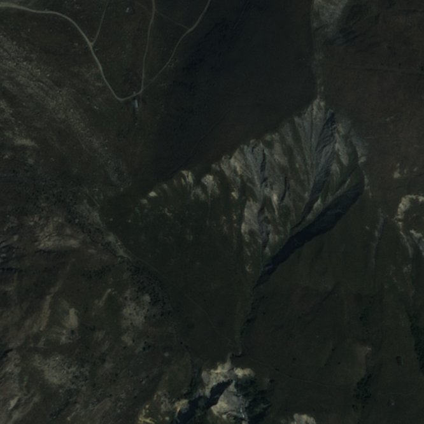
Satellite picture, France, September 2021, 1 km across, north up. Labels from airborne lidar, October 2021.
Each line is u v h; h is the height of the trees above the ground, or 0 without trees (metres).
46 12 0
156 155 0
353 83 0
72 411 0
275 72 0
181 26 0
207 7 0
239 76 0
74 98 0
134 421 0
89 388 0
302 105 0
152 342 0
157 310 0
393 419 0
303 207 0
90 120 0
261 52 0
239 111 0
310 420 0
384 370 0
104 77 0
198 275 0
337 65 0
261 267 0
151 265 0
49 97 0
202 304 0
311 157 0
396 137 0
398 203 0
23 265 0
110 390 0
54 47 0
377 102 0
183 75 0
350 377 0
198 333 0
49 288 0
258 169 0
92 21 0
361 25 0
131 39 0
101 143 0
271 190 0
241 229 0
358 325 0
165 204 0
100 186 0
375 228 0
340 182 0
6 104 0
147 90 0
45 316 0
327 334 0
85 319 0
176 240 0
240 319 0
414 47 0
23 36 0
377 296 0
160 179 0
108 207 0
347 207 0
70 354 0
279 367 0
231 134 0
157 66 0
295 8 0
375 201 0
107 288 0
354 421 0
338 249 0
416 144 0
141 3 0
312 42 0
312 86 0
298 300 0
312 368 0
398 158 0
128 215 0
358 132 0
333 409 0
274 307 0
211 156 0
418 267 0
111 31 0
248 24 0
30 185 0
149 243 0
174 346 0
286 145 0
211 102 0
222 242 0
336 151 0
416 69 0
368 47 0
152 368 0
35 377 0
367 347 0
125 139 0
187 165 0
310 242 0
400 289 0
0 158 0
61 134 0
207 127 0
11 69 0
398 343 0
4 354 0
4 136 0
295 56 0
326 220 0
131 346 0
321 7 0
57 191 0
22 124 0
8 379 0
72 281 0
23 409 0
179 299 0
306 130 0
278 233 0
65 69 0
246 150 0
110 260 0
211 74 0
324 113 0
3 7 0
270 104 0
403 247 0
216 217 0
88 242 0
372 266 0
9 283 0
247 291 0
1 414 0
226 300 0
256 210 0
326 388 0
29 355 0
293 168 0
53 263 0
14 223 0
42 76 0
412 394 0
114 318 0
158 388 0
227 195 0
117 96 0
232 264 0
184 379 0
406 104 0
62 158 0
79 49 0
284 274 0
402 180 0
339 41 0
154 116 0
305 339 0
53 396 0
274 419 0
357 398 6
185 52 0
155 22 0
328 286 0
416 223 0
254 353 0
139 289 7
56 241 0
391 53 0
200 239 0
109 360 0
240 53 0
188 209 0
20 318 0
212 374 0
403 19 0
